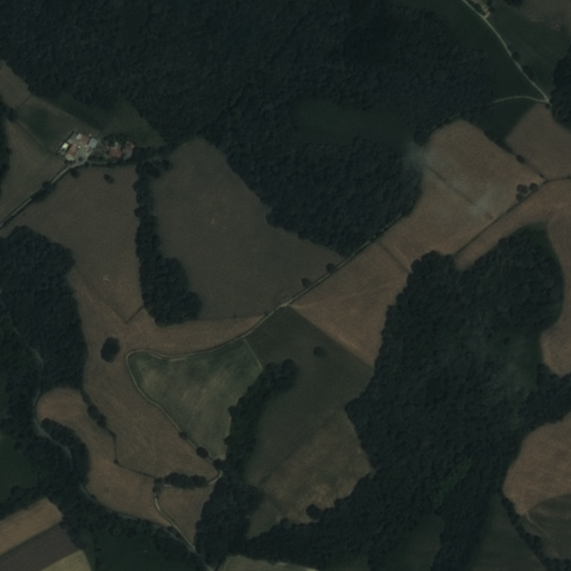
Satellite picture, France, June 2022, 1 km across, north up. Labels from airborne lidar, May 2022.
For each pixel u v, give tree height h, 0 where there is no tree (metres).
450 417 23
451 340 12
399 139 0
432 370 21
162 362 0
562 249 0
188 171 0
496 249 9
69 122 0
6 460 0
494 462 16
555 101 13
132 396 0
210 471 0
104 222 0
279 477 0
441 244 0
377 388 18
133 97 15
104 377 0
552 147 0
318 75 15
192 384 0
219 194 0
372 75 28
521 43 0
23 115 0
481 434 16
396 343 18
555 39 0
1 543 0
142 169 19
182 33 14
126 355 0
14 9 19
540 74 0
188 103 18
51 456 18
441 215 0
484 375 13
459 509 14
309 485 0
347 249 18
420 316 19
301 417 0
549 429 0
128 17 0
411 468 20
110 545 0
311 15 25
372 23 27
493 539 0
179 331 0
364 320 0
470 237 0
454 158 0
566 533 0
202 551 17
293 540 19
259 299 0
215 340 0
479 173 0
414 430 24
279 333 0
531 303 25
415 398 25
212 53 16
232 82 18
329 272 9
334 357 0
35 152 0
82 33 7
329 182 23
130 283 0
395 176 17
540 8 0
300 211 22
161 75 12
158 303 15
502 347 0
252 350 0
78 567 0
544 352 0
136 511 0
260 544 17
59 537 0
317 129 0
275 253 0
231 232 0
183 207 0
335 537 15
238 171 15
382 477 17
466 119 12
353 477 0
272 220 17
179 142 12
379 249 0
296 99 10
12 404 15
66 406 0
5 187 0
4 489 0
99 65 11
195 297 24
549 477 0
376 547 16
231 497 16
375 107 7
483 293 8
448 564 15
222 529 22
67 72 12
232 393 0
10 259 13
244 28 8
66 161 7
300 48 21
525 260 20
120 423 0
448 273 14
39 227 0
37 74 19
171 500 0
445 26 9
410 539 0
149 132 0
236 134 23
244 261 0
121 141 6
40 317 21
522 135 0
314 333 0
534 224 0
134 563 0
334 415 0
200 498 0
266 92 9
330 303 0
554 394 24
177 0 18
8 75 0
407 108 14
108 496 0
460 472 33
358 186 20
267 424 0
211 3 14
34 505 0
